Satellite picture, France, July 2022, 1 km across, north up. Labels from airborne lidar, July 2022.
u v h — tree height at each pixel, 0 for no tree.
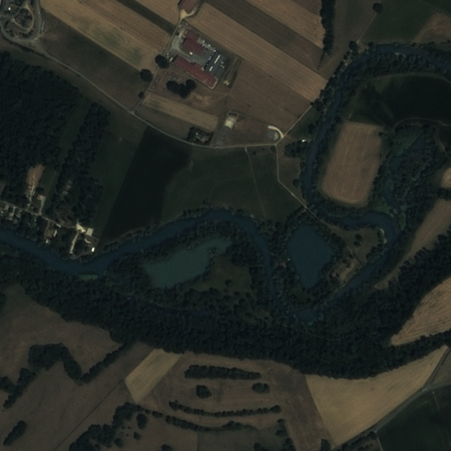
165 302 12
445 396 0
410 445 0
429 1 0
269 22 0
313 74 0
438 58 8
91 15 0
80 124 0
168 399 0
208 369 17
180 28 0
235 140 0
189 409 11
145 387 0
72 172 25
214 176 0
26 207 13
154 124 0
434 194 21
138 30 0
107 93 0
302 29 0
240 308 17
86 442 16
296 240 0
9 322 0
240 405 0
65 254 19
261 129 0
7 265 27
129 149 0
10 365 0
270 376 0
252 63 0
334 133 10
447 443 0
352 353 26
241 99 0
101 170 0
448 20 0
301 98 0
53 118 27
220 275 0
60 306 19
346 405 0
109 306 29
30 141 26
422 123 0
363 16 0
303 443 0
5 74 27
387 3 0
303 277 0
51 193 0
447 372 0
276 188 0
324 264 0
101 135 18
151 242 0
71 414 0
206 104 0
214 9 0
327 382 0
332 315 12
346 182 0
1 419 0
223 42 0
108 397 0
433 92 0
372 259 14
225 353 15
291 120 0
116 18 0
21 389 15
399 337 0
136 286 13
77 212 24
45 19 0
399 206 0
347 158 0
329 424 0
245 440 0
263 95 0
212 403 0
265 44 0
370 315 19
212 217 0
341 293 0
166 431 0
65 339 0
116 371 0
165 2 0
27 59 0
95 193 23
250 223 0
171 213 0
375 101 0
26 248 0
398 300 6
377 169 0
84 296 26
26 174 21
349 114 0
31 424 0
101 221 0
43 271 20
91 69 0
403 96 0
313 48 0
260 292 8
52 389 0
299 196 0
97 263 0
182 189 0
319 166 7
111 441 14
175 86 23
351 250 0
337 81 15
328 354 14
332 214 19
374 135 0
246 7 0
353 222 0
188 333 18
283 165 0
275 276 14
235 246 16
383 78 0
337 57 0
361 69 19
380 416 0
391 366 12
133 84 0
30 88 18
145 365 0
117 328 21
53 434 0
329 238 16
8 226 13
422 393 0
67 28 0
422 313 0
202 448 0
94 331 0
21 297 0
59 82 23
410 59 19
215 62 0
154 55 0
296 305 23
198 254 0
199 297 19
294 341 22
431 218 0
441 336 12
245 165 0
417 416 0
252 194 0
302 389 0
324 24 16
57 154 20
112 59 0
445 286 0
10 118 20
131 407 17
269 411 6
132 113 0
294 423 0
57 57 0
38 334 0
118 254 0
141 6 0
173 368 0
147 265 0
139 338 17
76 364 17
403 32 0
